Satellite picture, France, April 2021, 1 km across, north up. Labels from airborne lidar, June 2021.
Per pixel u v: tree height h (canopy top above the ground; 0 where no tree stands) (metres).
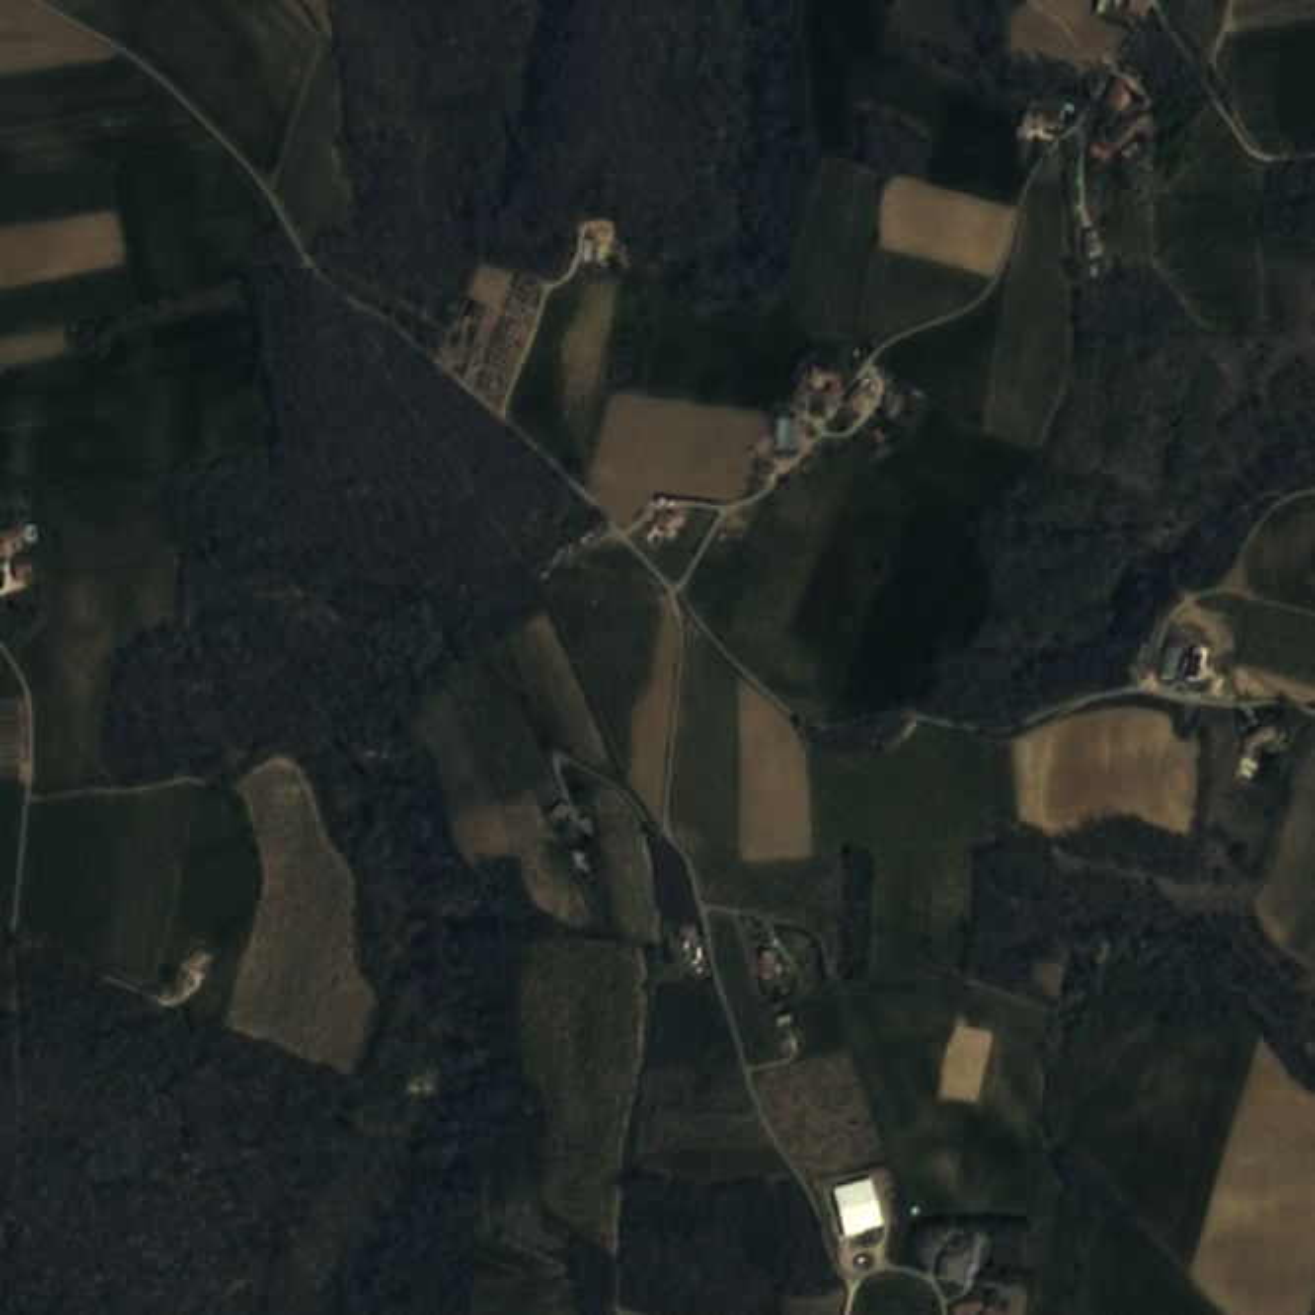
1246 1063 0
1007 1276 13
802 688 0
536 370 0
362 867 16
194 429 0
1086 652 22
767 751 0
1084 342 16
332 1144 0
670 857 12
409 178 20
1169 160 10
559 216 14
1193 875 11
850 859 11
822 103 0
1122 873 11
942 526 0
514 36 19
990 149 0
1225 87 10
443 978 26
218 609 22
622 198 16
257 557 11
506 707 0
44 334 0
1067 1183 16
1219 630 0
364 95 6
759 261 28
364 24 6
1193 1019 15
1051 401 0
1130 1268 0
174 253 0
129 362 0
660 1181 12
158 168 0
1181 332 9
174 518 9
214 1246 0
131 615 0
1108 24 0
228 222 0
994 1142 0
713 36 20
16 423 0
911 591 0
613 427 0
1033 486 11
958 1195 0
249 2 0
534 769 0
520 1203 0
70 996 0
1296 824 0
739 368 0
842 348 0
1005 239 0
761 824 0
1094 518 19
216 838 0
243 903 0
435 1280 11
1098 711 0
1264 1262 0
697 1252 13
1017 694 17
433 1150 16
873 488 0
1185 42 8
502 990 9
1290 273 0
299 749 22
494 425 15
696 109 21
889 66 0
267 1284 17
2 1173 17
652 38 17
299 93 0
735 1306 6
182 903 0
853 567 0
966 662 18
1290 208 22
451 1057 26
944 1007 0
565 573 0
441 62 19
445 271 13
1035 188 0
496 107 14
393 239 21
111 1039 0
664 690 0
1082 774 0
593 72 18
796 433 0
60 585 0
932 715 15
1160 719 0
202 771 17
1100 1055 16
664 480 0
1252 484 27
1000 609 9
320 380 18
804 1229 11
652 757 0
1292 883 0
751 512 0
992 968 19
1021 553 19
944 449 0
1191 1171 0
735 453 0
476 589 15
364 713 16
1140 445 7
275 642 34
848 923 17
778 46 19
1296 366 10
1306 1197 0
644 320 7
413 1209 27
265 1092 0
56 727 0
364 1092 16
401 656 30
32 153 0
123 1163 0
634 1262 9
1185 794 0
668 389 0
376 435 18
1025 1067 0
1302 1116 0
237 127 0
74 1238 0
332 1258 12
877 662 0
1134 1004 11
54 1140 6
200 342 0
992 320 0
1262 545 0
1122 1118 0
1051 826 0
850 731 13
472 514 17
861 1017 0
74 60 0
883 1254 0
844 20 0
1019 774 0
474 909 6
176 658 22
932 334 0
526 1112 14
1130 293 15
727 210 22
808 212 11
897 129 8
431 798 20
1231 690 0
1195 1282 0
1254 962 14
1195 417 13
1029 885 14
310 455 18
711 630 0
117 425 0
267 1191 0
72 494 7
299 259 10
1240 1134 0
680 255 17
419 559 21
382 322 11
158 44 0
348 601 27
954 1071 0
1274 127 0
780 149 9
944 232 0
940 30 0
